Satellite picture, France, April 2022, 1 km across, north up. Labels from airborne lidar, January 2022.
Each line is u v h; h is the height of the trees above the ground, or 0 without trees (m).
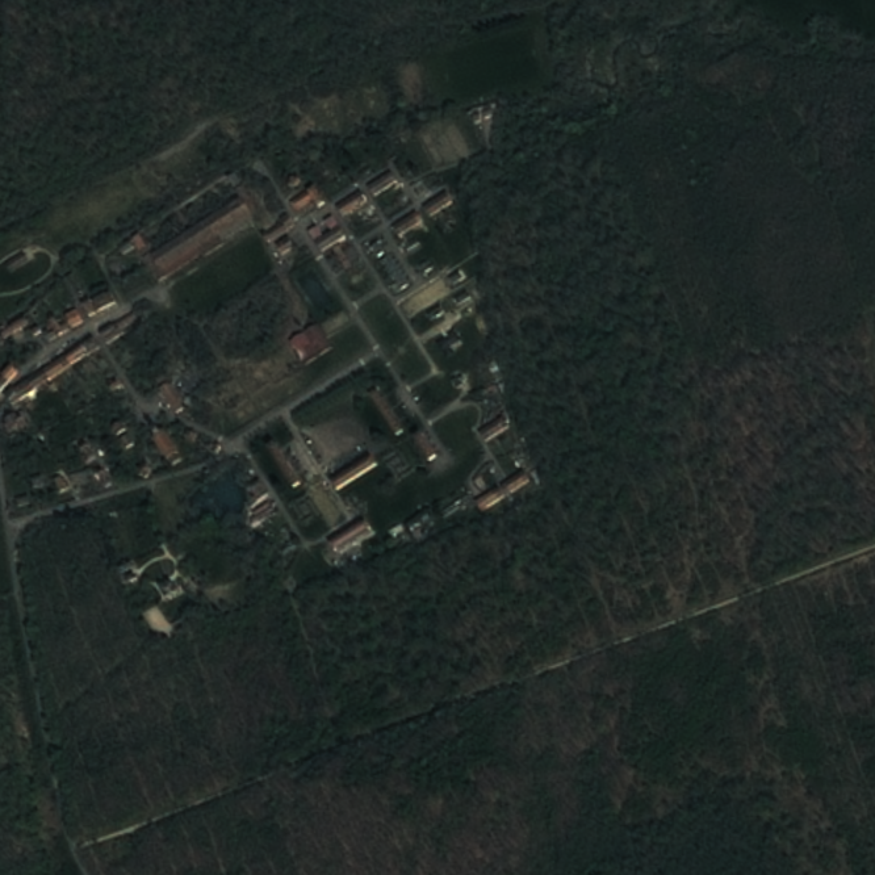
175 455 0
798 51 9
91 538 15
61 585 15
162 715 16
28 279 0
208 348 11
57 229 0
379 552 15
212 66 24
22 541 14
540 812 13
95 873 17
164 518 0
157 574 0
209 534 15
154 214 13
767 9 0
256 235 0
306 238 0
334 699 25
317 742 13
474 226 15
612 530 22
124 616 16
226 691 15
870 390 22
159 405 0
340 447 0
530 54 0
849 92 10
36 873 26
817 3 0
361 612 26
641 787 15
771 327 13
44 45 26
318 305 0
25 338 0
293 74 20
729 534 7
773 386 28
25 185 21
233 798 16
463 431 0
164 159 0
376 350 0
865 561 0
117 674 9
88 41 23
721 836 22
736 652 7
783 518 23
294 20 25
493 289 24
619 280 28
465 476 0
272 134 19
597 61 0
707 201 18
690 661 6
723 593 0
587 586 23
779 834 24
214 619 14
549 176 15
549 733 19
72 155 23
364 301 0
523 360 29
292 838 19
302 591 11
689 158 15
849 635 8
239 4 20
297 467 8
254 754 18
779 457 10
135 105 28
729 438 24
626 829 18
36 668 13
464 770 15
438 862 17
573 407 28
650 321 25
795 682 8
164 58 24
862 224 12
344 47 24
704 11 18
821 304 10
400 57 26
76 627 17
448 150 0
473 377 0
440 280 0
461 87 0
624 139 6
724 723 9
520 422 18
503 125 18
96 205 0
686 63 17
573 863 19
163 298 0
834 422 26
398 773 24
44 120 23
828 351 24
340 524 0
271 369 0
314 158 18
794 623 6
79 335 0
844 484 28
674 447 28
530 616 11
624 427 22
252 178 12
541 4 18
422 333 0
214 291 0
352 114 6
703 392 21
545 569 26
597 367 31
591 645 0
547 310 27
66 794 17
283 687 12
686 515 7
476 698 12
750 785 19
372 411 0
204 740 17
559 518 26
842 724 9
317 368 0
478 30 11
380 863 19
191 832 16
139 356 9
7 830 23
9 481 0
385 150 7
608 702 9
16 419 0
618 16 26
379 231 0
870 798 7
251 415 0
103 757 16
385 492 11
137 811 17
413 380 0
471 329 0
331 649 26
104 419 6
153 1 20
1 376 0
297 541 15
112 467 8
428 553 23
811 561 22
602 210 26
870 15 0
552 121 11
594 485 23
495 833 16
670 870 14
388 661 29
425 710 24
